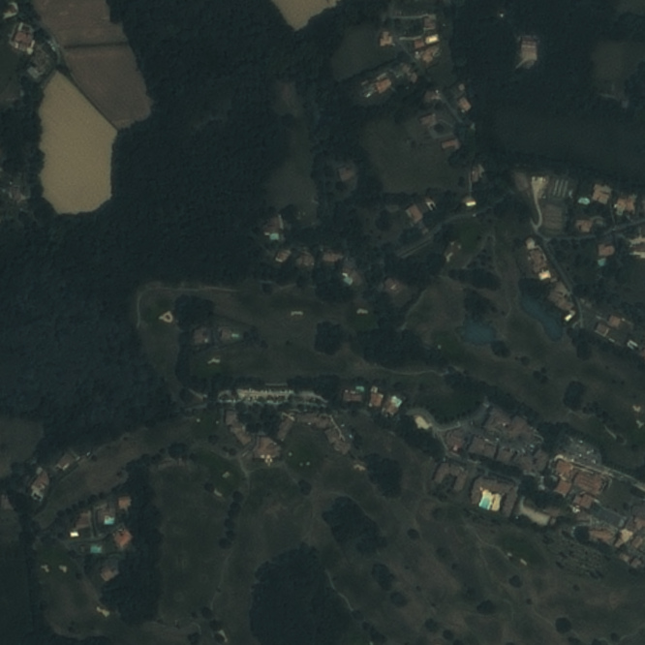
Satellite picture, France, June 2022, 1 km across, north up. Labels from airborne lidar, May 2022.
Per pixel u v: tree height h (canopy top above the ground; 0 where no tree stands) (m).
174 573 0
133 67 0
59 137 0
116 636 0
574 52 25
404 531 0
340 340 17
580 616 0
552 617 0
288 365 0
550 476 15
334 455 0
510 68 19
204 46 14
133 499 19
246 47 20
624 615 0
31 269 21
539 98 25
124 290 21
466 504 0
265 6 21
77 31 0
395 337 16
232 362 0
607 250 0
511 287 0
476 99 20
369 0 21
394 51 0
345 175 0
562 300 0
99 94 0
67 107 0
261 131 20
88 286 22
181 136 15
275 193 0
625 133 0
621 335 0
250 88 12
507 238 0
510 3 19
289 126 21
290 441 0
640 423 0
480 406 11
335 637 20
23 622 6
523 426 0
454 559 0
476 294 8
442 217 16
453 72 6
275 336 0
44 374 24
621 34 20
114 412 21
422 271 23
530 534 0
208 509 0
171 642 0
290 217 13
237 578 0
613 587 0
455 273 14
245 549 0
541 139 0
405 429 13
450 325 0
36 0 0
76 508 17
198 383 18
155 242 26
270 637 22
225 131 7
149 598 28
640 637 0
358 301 0
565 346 0
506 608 0
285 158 21
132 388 25
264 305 0
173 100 26
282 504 0
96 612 0
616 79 0
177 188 22
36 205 18
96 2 0
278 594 26
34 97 25
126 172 21
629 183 20
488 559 0
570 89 25
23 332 28
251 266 26
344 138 21
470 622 0
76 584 0
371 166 19
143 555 24
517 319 0
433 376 0
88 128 0
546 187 0
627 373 0
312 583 25
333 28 24
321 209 12
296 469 0
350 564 0
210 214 16
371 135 0
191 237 23
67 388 25
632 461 0
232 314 0
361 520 23
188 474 0
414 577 0
